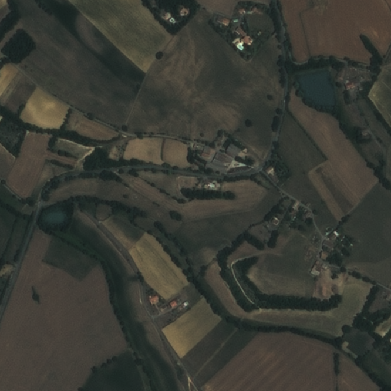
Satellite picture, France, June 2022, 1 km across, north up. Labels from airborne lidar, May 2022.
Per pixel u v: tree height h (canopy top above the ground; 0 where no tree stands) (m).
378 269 0
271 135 0
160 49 0
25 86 0
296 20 0
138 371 0
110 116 0
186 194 19
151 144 0
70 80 0
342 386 0
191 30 0
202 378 0
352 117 0
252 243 16
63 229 12
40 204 0
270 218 10
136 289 0
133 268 0
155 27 0
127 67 0
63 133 15
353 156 0
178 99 0
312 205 0
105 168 14
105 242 0
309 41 0
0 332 0
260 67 0
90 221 0
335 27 0
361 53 0
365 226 0
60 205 18
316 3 0
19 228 0
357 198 0
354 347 0
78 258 0
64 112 0
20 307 0
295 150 0
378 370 0
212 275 0
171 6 16
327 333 0
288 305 14
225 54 0
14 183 0
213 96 0
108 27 0
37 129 10
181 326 0
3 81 0
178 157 0
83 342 0
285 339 0
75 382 0
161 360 0
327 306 16
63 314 0
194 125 0
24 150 0
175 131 0
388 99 0
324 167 0
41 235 0
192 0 14
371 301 13
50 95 0
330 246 0
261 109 0
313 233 0
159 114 0
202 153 0
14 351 0
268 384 0
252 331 11
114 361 8
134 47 0
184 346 0
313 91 0
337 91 0
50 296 0
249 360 0
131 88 0
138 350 0
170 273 0
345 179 0
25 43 12
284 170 7
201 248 0
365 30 0
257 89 0
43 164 0
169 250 14
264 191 0
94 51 0
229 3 0
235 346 0
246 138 0
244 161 11
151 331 0
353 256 0
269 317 0
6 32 15
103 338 0
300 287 0
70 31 0
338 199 0
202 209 0
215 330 0
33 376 0
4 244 0
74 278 0
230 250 16
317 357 0
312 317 0
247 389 0
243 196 0
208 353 0
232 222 0
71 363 0
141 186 0
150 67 0
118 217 0
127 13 0
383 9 0
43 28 0
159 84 0
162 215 0
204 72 0
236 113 0
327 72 0
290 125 0
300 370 0
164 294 0
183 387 0
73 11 0
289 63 16
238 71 0
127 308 0
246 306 9
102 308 0
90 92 0
